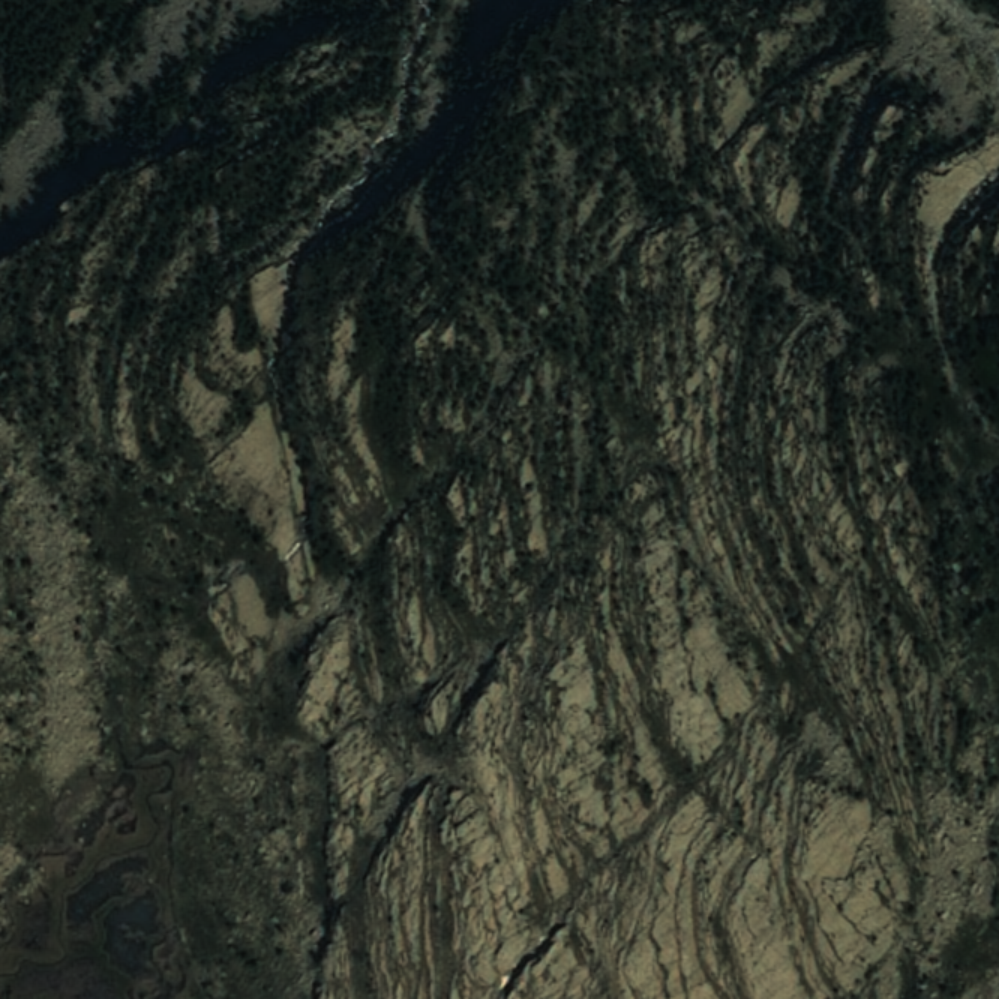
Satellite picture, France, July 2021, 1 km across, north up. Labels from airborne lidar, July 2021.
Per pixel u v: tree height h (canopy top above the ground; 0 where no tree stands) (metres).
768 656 0
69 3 13
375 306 10
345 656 0
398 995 0
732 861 0
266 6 0
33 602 0
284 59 8
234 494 0
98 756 0
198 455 0
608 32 0
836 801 0
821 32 11
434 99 0
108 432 0
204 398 0
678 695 0
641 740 0
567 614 0
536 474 0
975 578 14
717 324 8
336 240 8
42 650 0
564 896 0
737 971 0
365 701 0
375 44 10
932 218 0
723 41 12
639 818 0
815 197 13
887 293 0
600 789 0
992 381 0
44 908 0
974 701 0
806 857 0
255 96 8
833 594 0
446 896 0
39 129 0
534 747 0
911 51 0
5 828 0
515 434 0
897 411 10
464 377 13
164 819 0
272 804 0
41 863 0
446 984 0
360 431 0
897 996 0
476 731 0
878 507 0
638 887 0
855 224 8
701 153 12
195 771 0
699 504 0
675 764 0
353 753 0
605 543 0
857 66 0
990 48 0
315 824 0
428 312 8
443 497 7
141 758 0
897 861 0
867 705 0
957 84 0
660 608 0
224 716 0
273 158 11
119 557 0
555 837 0
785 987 0
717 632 0
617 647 0
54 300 9
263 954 0
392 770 0
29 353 10
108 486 0
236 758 0
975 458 0
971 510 10
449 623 0
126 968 0
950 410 0
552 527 0
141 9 14
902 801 0
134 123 13
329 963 0
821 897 0
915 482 16
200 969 0
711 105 9
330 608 0
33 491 0
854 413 7
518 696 0
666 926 0
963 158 0
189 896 0
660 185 9
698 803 0
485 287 11
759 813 0
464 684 0
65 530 0
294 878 0
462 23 9
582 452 0
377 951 0
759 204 6
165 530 0
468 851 0
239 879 0
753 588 0
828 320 7
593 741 0
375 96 15
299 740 0
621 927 0
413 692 0
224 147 11
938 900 0
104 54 13
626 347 0
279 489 0
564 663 0
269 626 0
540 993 0
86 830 0
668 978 0
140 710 0
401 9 15
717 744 0
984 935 0
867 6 18
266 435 0
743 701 0
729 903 0
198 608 0
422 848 0
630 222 0
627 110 7
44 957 0
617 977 0
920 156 9
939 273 9
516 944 0
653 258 0
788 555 0
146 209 10
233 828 0
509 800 0
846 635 0
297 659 9
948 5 0
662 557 0
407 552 0
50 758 0
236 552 0
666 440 0
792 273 13
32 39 11
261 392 0
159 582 0
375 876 0
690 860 0
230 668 0
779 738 0
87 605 0
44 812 0
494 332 0
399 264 11
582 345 9
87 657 0
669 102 10
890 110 0
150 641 0
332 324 6
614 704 0
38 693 0
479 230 9
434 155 26
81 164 18
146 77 0
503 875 0
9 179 0
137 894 0
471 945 0
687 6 12
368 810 0
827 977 0
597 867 0
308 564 0
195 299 7
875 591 7
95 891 0
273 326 0
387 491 0
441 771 0
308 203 16
